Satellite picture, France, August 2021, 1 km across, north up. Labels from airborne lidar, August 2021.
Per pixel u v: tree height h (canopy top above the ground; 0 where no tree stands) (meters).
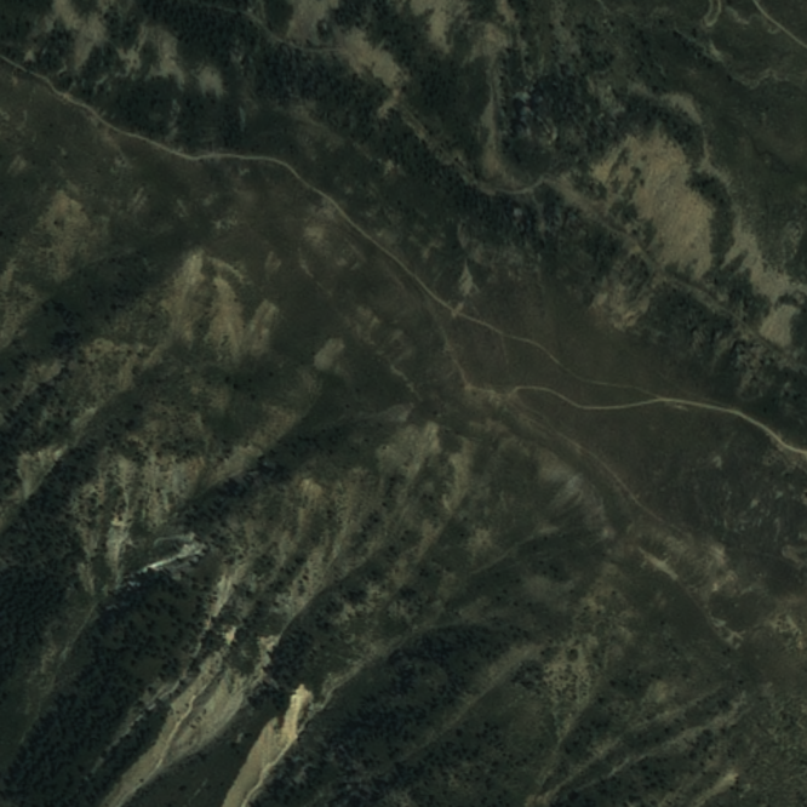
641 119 0
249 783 0
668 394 0
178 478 0
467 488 0
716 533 0
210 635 12
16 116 0
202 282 0
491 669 0
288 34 0
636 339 0
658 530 0
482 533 0
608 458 0
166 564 0
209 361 0
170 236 0
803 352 0
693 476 0
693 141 10
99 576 0
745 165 0
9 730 0
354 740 16
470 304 0
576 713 0
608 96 0
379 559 0
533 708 0
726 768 0
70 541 9
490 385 0
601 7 0
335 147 0
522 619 0
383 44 0
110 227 0
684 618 0
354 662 0
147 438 0
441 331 0
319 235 0
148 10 10
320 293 0
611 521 0
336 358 0
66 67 0
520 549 0
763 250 0
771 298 0
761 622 0
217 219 0
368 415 0
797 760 0
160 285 0
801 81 0
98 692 11
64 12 0
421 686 0
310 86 10
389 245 0
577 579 0
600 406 0
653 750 0
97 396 0
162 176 0
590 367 0
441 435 0
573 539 0
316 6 0
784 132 0
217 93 0
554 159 0
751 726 0
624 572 0
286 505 0
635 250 0
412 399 0
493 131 0
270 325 0
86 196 0
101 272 0
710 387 0
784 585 0
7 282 0
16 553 9
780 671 0
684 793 0
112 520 0
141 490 0
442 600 0
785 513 0
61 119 0
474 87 0
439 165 7
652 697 0
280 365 0
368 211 0
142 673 0
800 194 0
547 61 0
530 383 0
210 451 0
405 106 0
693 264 0
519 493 0
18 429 11
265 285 0
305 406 0
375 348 0
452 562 0
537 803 0
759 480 0
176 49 0
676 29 0
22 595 13
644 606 0
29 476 0
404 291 0
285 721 0
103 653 13
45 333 0
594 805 7
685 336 0
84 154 0
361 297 0
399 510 0
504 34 0
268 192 0
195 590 10
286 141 0
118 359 0
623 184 0
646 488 0
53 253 0
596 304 0
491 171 0
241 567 0
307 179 0
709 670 0
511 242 0
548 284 0
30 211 0
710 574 0
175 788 0
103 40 0
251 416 0
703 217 0
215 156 0
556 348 0
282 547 0
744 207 0
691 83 0
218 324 0
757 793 0
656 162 0
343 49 0
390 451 0
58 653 0
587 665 0
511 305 0
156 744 0
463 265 0
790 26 0
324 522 0
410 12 0
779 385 0
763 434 0
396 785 13
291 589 0
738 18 0
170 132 0
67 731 16
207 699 0
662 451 0
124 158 0
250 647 0
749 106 0
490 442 0
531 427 0
